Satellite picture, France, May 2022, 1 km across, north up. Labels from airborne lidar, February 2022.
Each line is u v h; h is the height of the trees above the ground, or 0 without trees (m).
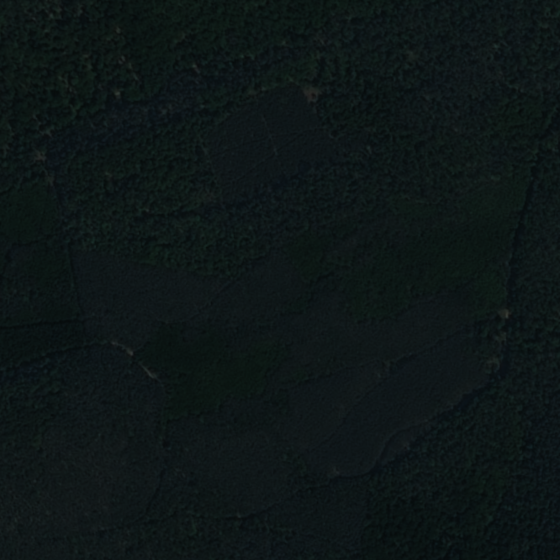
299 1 23
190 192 29
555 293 20
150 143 29
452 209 15
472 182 27
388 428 16
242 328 23
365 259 21
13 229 9
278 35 27
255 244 26
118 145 30
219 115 30
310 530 21
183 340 20
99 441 20
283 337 18
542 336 29
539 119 20
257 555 23
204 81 13
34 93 28
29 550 22
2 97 30
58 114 29
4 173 12
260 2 22
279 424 13
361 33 31
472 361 16
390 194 20
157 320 16
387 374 17
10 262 26
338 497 24
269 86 25
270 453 21
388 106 28
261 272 20
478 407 32
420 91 15
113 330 20
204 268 25
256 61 28
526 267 28
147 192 29
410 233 12
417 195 25
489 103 32
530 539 27
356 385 18
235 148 7
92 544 25
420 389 17
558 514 28
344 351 18
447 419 21
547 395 26
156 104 33
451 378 17
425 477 34
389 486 26
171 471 22
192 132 29
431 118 32
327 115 31
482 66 32
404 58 19
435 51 23
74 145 32
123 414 26
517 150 35
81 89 30
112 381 29
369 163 29
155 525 21
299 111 6
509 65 31
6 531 23
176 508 22
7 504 20
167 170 29
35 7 29
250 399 22
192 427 22
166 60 27
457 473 25
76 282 16
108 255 23
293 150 6
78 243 26
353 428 15
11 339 13
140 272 21
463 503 26
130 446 22
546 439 29
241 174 6
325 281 20
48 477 22
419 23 36
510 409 30
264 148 6
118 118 26
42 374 29
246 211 28
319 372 20
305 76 27
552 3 21
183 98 34
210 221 27
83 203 29
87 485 20
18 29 28
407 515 30
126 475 19
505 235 14
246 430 22
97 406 24
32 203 8
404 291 12
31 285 15
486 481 29
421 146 30
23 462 20
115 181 7
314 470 16
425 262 15
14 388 27
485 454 20
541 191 31
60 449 19
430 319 16
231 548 23
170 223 24
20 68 33
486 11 32
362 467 15
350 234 21
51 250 12
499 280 15
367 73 33
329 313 20
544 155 33
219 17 24
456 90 34
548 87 32
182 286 22
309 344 20
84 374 26
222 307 19
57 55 33
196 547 24
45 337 17
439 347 19
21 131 29
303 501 21
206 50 23
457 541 28
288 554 22
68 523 19
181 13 24
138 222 27
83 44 36
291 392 17
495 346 13
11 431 25
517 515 24
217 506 23
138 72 25
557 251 26
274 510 20
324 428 18
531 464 24
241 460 22
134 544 23
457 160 28
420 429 15
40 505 18
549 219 27
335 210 27
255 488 20
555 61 20
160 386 18
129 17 18
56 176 27
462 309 19
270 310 22
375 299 10
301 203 21
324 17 24
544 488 23
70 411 27
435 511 27
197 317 20
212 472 20
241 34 25
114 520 21
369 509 27
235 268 22
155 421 21
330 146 7
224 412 22
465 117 29
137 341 20
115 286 20
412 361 19
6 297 10
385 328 17
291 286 24
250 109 6
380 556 21
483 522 34
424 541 24
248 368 0
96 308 20
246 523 23
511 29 16
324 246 15
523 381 33
